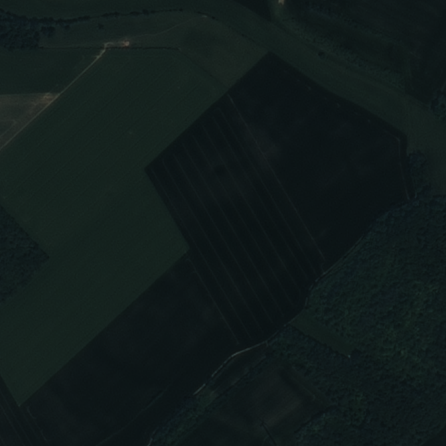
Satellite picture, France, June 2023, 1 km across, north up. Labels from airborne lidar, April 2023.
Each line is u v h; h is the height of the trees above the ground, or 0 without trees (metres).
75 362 0
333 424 11
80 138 0
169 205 0
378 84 0
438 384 15
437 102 15
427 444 0
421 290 10
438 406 21
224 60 0
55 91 0
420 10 0
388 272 12
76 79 0
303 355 12
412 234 23
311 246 0
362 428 18
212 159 0
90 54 0
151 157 0
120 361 0
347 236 0
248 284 0
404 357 16
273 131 0
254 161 0
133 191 0
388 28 0
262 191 0
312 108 0
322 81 0
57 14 0
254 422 0
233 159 0
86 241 0
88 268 0
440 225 25
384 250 16
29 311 0
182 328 0
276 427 0
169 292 0
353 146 0
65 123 0
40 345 0
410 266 13
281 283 0
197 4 0
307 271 0
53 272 0
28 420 0
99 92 0
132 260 0
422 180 17
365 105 0
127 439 0
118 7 0
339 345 0
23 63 0
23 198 0
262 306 0
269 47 0
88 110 0
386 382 24
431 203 25
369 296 12
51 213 0
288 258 0
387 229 19
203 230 0
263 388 0
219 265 0
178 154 0
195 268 0
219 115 0
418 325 13
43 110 0
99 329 0
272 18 0
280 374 0
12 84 0
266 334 0
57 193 0
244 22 0
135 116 0
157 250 0
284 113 0
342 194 0
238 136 0
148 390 0
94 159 0
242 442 0
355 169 0
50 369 0
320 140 0
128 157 0
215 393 0
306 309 8
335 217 0
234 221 0
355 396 14
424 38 0
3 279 20
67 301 0
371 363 21
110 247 0
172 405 0
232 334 0
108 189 0
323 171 0
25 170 0
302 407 0
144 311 0
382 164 0
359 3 0
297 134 0
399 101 0
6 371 0
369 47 0
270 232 0
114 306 0
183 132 0
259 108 0
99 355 0
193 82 0
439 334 20
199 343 0
